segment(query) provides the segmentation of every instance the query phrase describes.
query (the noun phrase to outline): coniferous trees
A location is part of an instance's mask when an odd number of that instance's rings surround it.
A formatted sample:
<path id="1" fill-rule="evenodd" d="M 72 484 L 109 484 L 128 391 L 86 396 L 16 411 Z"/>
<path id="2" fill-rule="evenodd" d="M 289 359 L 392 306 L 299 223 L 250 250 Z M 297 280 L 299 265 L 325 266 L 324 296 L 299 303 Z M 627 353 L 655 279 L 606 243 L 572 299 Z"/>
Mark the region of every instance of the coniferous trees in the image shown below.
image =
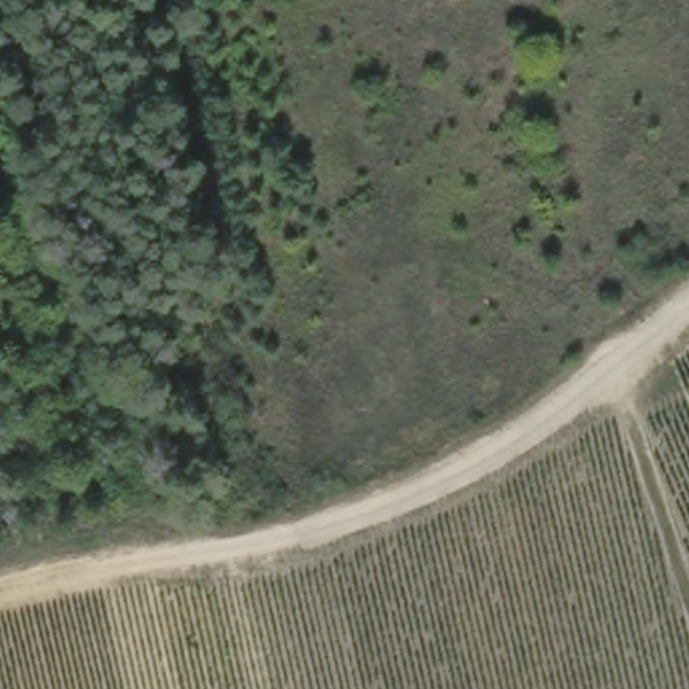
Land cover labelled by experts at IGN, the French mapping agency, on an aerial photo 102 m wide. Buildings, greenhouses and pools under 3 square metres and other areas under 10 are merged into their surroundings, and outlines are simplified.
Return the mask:
<path id="1" fill-rule="evenodd" d="M 145 482 L 145 466 L 151 458 L 164 458 L 170 463 L 164 474 L 167 482 L 188 487 L 215 474 L 215 466 L 229 455 L 215 414 L 218 401 L 229 396 L 242 404 L 248 414 L 253 412 L 250 388 L 256 385 L 256 377 L 245 363 L 242 355 L 229 355 L 218 363 L 202 363 L 199 355 L 191 350 L 180 355 L 170 353 L 170 339 L 178 336 L 180 328 L 178 307 L 194 307 L 205 301 L 202 283 L 215 280 L 221 275 L 223 253 L 210 191 L 199 186 L 199 180 L 205 178 L 205 164 L 191 164 L 186 170 L 175 167 L 178 153 L 186 148 L 180 121 L 186 110 L 178 105 L 183 94 L 175 81 L 175 67 L 180 65 L 180 43 L 183 38 L 199 35 L 199 30 L 205 30 L 207 24 L 205 13 L 196 13 L 188 5 L 191 0 L 0 0 L 0 221 L 13 207 L 22 215 L 27 234 L 32 240 L 40 240 L 43 245 L 40 266 L 24 269 L 19 275 L 13 275 L 8 266 L 0 266 L 0 533 L 8 530 L 5 509 L 16 509 L 22 495 L 13 487 L 13 479 L 24 479 L 35 468 L 48 466 L 70 468 L 92 458 L 100 460 L 100 466 L 105 466 L 105 474 L 97 482 L 105 490 L 105 503 L 124 501 L 129 509 L 153 506 L 156 487 Z M 13 355 L 27 358 L 32 350 L 40 347 L 59 353 L 70 363 L 70 369 L 59 377 L 59 382 L 27 390 L 22 382 L 11 379 L 19 369 Z M 16 439 L 13 433 L 8 433 L 8 423 L 16 423 L 24 414 L 30 414 L 35 401 L 62 398 L 83 388 L 86 382 L 94 382 L 105 398 L 100 401 L 102 406 L 92 414 L 62 412 L 65 423 L 73 423 L 73 431 L 78 436 L 75 441 L 59 439 L 51 447 L 38 449 L 27 439 Z"/>

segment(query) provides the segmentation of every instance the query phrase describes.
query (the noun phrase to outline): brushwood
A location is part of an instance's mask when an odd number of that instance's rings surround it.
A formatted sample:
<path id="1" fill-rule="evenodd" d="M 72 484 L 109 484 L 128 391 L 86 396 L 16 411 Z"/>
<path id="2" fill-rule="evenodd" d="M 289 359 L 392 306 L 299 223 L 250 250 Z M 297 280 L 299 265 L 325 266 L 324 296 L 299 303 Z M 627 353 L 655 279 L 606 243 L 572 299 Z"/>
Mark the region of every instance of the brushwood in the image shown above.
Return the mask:
<path id="1" fill-rule="evenodd" d="M 223 253 L 221 275 L 215 280 L 202 283 L 205 301 L 194 307 L 178 307 L 180 328 L 178 336 L 170 339 L 170 353 L 180 355 L 191 350 L 199 355 L 202 363 L 218 363 L 229 355 L 242 355 L 245 363 L 250 358 L 258 358 L 264 363 L 277 363 L 280 355 L 288 350 L 280 342 L 275 350 L 258 345 L 253 339 L 253 328 L 266 328 L 275 318 L 283 318 L 288 312 L 288 304 L 272 296 L 277 277 L 269 266 L 266 248 L 258 240 L 256 229 L 229 221 L 234 215 L 258 215 L 272 207 L 283 207 L 299 210 L 320 223 L 328 221 L 326 207 L 315 205 L 318 178 L 312 170 L 312 145 L 304 135 L 293 132 L 291 118 L 275 102 L 277 97 L 291 94 L 291 73 L 285 57 L 275 54 L 277 27 L 272 22 L 277 13 L 291 13 L 293 19 L 312 22 L 312 11 L 301 0 L 191 0 L 188 5 L 196 13 L 205 13 L 207 24 L 205 30 L 199 30 L 199 35 L 183 38 L 180 43 L 180 65 L 175 67 L 175 81 L 183 94 L 178 105 L 186 110 L 180 121 L 186 148 L 178 153 L 175 167 L 186 170 L 191 164 L 205 164 L 205 178 L 199 180 L 199 186 L 210 191 Z"/>

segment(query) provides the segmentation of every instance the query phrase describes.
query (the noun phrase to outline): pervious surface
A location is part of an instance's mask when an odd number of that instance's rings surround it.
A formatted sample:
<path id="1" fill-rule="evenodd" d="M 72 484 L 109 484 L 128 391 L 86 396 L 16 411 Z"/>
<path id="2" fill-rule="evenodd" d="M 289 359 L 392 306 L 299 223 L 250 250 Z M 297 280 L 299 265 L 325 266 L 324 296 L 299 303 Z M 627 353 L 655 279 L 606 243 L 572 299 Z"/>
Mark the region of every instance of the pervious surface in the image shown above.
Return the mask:
<path id="1" fill-rule="evenodd" d="M 358 501 L 336 503 L 293 522 L 266 525 L 231 538 L 196 538 L 178 544 L 167 541 L 156 546 L 100 549 L 81 557 L 62 557 L 0 573 L 0 611 L 48 603 L 62 595 L 102 589 L 113 579 L 135 573 L 172 576 L 194 565 L 245 560 L 291 546 L 312 549 L 339 536 L 355 533 L 361 528 L 396 519 L 417 506 L 433 503 L 452 490 L 460 490 L 482 479 L 490 471 L 503 468 L 511 458 L 528 452 L 530 447 L 544 441 L 549 433 L 554 433 L 587 409 L 608 404 L 614 406 L 614 414 L 632 412 L 638 406 L 638 382 L 657 363 L 662 363 L 662 347 L 667 342 L 676 342 L 676 336 L 689 326 L 689 280 L 641 323 L 600 342 L 592 353 L 587 353 L 581 366 L 568 377 L 568 382 L 546 393 L 533 409 L 509 420 L 495 433 L 476 439 L 460 452 L 425 466 L 420 474 L 398 484 L 371 490 Z"/>

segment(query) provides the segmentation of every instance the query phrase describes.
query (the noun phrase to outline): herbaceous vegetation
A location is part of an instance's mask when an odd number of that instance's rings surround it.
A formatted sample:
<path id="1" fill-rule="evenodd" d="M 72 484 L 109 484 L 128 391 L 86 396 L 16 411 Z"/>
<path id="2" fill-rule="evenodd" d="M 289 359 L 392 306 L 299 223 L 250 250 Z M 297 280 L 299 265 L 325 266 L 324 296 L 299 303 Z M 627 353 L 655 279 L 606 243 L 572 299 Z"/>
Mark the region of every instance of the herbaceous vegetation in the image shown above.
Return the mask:
<path id="1" fill-rule="evenodd" d="M 67 525 L 59 525 L 54 506 L 40 509 L 35 525 L 19 519 L 16 509 L 5 509 L 8 530 L 0 533 L 0 573 L 62 557 L 81 557 L 100 549 L 156 546 L 167 541 L 178 544 L 196 538 L 231 538 L 266 525 L 293 522 L 336 503 L 358 501 L 371 490 L 398 484 L 420 474 L 425 466 L 460 452 L 476 439 L 495 433 L 509 420 L 533 409 L 546 393 L 568 382 L 568 377 L 581 366 L 587 353 L 592 353 L 600 342 L 641 323 L 689 280 L 689 0 L 301 0 L 312 11 L 312 22 L 293 19 L 291 13 L 277 13 L 272 22 L 277 27 L 275 54 L 285 57 L 291 73 L 291 94 L 277 97 L 275 102 L 291 118 L 293 132 L 304 135 L 312 145 L 312 170 L 318 178 L 315 205 L 326 207 L 328 221 L 320 223 L 299 210 L 283 207 L 272 207 L 258 215 L 234 215 L 229 221 L 256 229 L 258 240 L 266 248 L 269 266 L 277 277 L 272 296 L 288 304 L 288 312 L 283 318 L 275 318 L 266 328 L 253 328 L 253 339 L 258 345 L 275 350 L 280 342 L 288 350 L 280 355 L 277 363 L 264 363 L 258 358 L 250 358 L 245 363 L 256 377 L 256 385 L 250 388 L 253 412 L 248 414 L 242 404 L 229 396 L 218 401 L 215 414 L 229 455 L 215 466 L 215 474 L 188 487 L 167 482 L 164 474 L 170 463 L 164 458 L 151 458 L 145 466 L 145 482 L 156 487 L 153 506 L 129 509 L 124 501 L 105 503 L 100 509 L 75 509 L 73 522 Z"/>

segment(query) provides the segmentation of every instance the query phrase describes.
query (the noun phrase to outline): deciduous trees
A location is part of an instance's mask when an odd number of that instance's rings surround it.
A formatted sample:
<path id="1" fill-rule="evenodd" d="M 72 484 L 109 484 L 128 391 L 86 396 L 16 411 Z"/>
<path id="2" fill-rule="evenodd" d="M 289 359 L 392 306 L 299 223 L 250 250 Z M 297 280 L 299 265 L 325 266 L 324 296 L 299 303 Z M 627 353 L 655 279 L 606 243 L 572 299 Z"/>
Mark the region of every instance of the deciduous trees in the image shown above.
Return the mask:
<path id="1" fill-rule="evenodd" d="M 70 363 L 59 353 L 40 347 L 32 350 L 27 358 L 13 355 L 19 369 L 11 379 L 22 382 L 27 390 L 59 382 L 59 377 L 70 369 Z"/>
<path id="2" fill-rule="evenodd" d="M 13 487 L 22 495 L 16 509 L 19 519 L 35 525 L 40 509 L 54 506 L 59 525 L 67 525 L 73 522 L 75 509 L 100 509 L 105 503 L 105 490 L 97 482 L 105 474 L 105 466 L 100 466 L 100 460 L 92 458 L 70 468 L 48 466 L 35 468 L 24 479 L 13 479 Z"/>
<path id="3" fill-rule="evenodd" d="M 24 269 L 40 266 L 43 245 L 40 240 L 32 240 L 27 234 L 22 215 L 13 207 L 0 221 L 0 266 L 8 266 L 13 275 L 19 275 Z"/>
<path id="4" fill-rule="evenodd" d="M 35 401 L 30 414 L 24 414 L 16 423 L 8 423 L 8 433 L 13 433 L 16 439 L 27 439 L 38 449 L 51 447 L 59 439 L 75 441 L 78 436 L 73 431 L 73 423 L 65 423 L 62 412 L 92 414 L 102 406 L 100 401 L 105 398 L 94 382 L 86 382 L 83 388 L 62 398 Z"/>

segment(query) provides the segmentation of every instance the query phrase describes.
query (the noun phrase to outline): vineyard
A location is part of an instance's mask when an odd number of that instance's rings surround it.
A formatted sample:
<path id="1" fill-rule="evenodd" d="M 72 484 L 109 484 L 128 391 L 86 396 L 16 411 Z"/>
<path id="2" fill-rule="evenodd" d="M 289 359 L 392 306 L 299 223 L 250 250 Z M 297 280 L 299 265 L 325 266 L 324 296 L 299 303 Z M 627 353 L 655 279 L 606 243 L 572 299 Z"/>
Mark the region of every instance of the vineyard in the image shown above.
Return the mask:
<path id="1" fill-rule="evenodd" d="M 452 490 L 433 503 L 417 506 L 396 519 L 361 528 L 355 533 L 339 536 L 312 549 L 291 546 L 245 560 L 194 565 L 172 576 L 135 573 L 113 579 L 102 589 L 62 595 L 48 603 L 0 611 L 0 689 L 689 689 L 689 326 L 676 336 L 676 342 L 667 342 L 662 347 L 662 363 L 657 363 L 638 382 L 638 406 L 632 412 L 614 414 L 614 406 L 608 404 L 587 409 L 554 433 L 549 433 L 544 441 L 530 447 L 528 452 L 511 458 L 503 468 L 490 471 L 482 479 L 460 490 Z"/>

